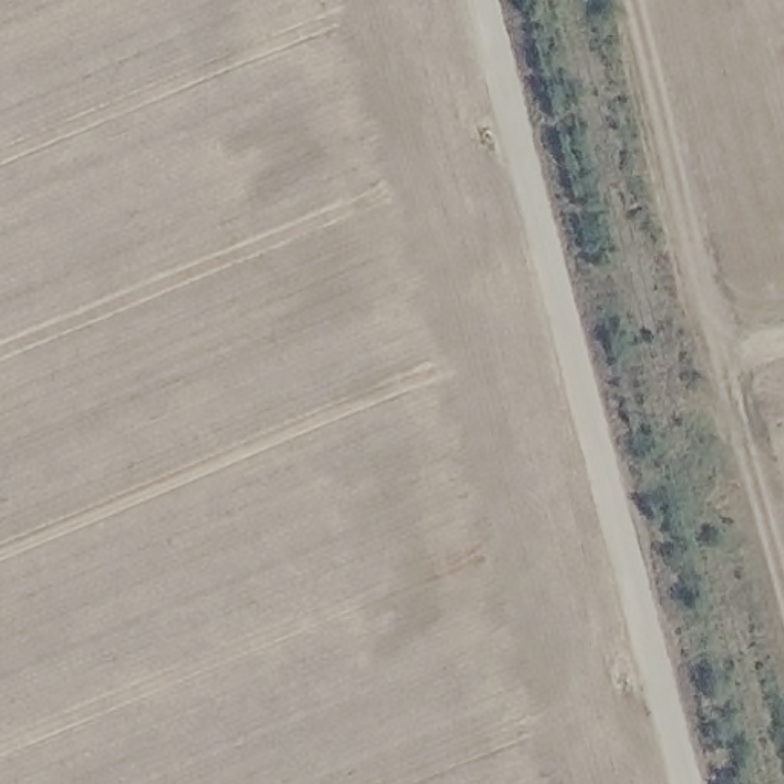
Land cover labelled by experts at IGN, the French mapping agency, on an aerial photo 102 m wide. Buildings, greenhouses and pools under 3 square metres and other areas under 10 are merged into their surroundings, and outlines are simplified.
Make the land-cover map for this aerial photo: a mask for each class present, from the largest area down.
<instances>
[{"label":"agricultural land","instance_id":"1","mask_svg":"<svg viewBox=\"0 0 784 784\"><path fill-rule=\"evenodd\" d=\"M499 135V116L490 101V86L478 67V43L469 15V0H0V784H671L665 775L662 750L655 744V723L646 704L643 671L631 646L622 588L616 564L609 557L606 536L600 530L585 453L579 444V429L570 410V398L564 392V371L551 337V319L545 312L539 279L530 260V239L524 233L521 202L511 175L496 162L493 138ZM662 64L668 83L674 86V110L686 126L692 153L689 175L698 184L701 202L707 208L704 248L714 257V285L732 309V325L747 331L784 325V0H655ZM756 395H775L784 410V358L760 361L750 368Z\"/></svg>","mask_w":784,"mask_h":784},{"label":"herbaceous vegetation","instance_id":"2","mask_svg":"<svg viewBox=\"0 0 784 784\"><path fill-rule=\"evenodd\" d=\"M619 0H536V40L554 37L557 67H564L567 77L579 80L582 86L576 104H564V92L554 89L551 113H542L527 98L530 126L539 138L545 129L560 126L567 116L585 119V156L591 175L585 181H576L573 187L579 196H588L591 211H597V217L606 221L616 245V254H609L603 263H582L579 257L567 263L616 447L625 441L628 432L652 426L655 447L646 456L634 459L619 453L622 472H628L631 499L652 487L668 490L671 524L677 536H683L692 554V567L701 573V594L695 606L671 600L677 573H671L662 564V557L652 554L665 542V533L658 524L646 521L637 511V545L649 564V582L658 600L662 634L677 671L683 711L692 726L707 711L732 704L735 729L747 738V756L738 769V778L744 784H784V769L775 741L760 744V735H766L772 726V714L763 695L781 692L784 698V625L778 616L766 554L756 536L753 511L732 447L723 444L714 432H707L692 413H680L677 407V395L695 389L704 374L692 361L695 334L686 331V309L677 297L671 257L662 242V227L652 217V193L646 187V159L640 153L637 116L628 101V83L622 77L616 18ZM698 662H707V665H711V683H714V692H711V695H704V692H698V689H695V686H692V683H689V671H692V668H695V665H698ZM695 756L704 775L711 769H723L729 763V753L701 750L695 744Z\"/></svg>","mask_w":784,"mask_h":784},{"label":"pervious surface","instance_id":"3","mask_svg":"<svg viewBox=\"0 0 784 784\"><path fill-rule=\"evenodd\" d=\"M469 15L478 43V67L490 86V101L499 116V135L493 138L496 162L511 175L521 202L524 233L530 239V260L539 279L545 312L551 319V337L564 371V392L570 398V410L579 429V444L585 453L600 530L606 536L609 557L616 564L622 588L631 646L643 671L646 704L655 723V744L662 750L665 775L671 784H701L704 775L695 756V744L692 726L683 711L677 671L662 634L658 600L649 582V564L637 545V511L631 499L628 472H622L619 453L616 447L567 263L564 233L551 211L548 181L542 175L539 138L530 126L527 98L511 37L505 31L502 0H469ZM616 18L622 77L628 83V101L637 116L640 153L646 159V187L652 193V217L662 227V242L671 257L677 297L686 309V331L695 334L692 361L704 374L695 389L677 395V407L680 413H692L707 432H714L723 444L732 447L753 511L756 536L766 554L778 616L784 625V410L775 395H756L750 368L760 361L784 358V325L747 331L732 325V309L714 285V257L704 248L707 208L701 202L698 184L689 175L692 153L686 126L674 110V86L668 83L662 64L655 0H619Z\"/></svg>","mask_w":784,"mask_h":784},{"label":"brushwood","instance_id":"4","mask_svg":"<svg viewBox=\"0 0 784 784\"><path fill-rule=\"evenodd\" d=\"M505 31L511 37L527 98L542 113H551L554 89L564 92V104H576L582 86L579 80L567 77L564 67H557L554 37L536 40V0H502ZM542 175L548 181L551 211L564 233L567 263L579 257L582 263H603L609 254H616V245L606 221L597 217V211H591L588 196H579L573 187L576 181H585L591 175L585 156V119L567 116L560 126L545 129L539 138ZM655 447L652 426L628 432L625 441L616 447L619 453L634 459L646 456ZM637 511L646 521L658 524L665 533V542L652 554L662 557V564L671 573H677L671 600L695 606L701 594V573L692 567V554L683 536H677L671 524L668 490L652 487L631 499ZM689 683H692V686H695V689H698V692H704V695H711V692H714V683H711V665H707V662H698V665H695V668H692V671H689ZM772 714V726L766 735H760V744L775 741L784 769V698L781 692L763 695ZM732 704L707 711L692 726L695 744L701 750L729 753V763L723 769H711L704 775L701 784H744L738 778V769L747 756V738L735 729Z\"/></svg>","mask_w":784,"mask_h":784}]
</instances>
